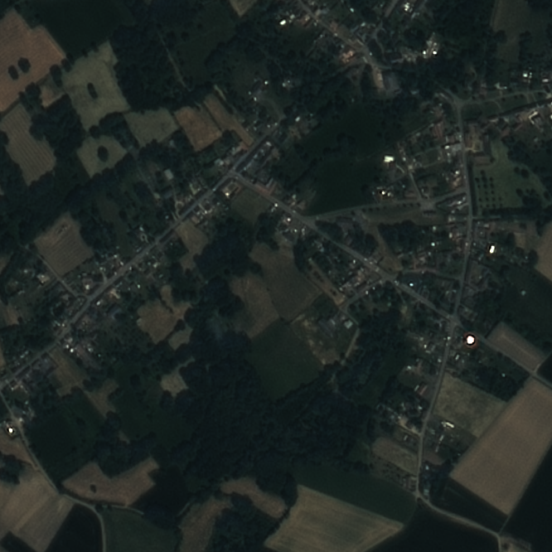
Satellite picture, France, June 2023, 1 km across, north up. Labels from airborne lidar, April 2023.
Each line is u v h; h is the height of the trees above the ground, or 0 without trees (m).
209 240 0
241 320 0
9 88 0
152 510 26
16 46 0
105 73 0
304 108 13
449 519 0
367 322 13
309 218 0
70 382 0
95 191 15
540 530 0
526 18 0
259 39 11
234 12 9
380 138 11
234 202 0
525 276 0
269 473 23
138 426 0
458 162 0
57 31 0
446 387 0
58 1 0
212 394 25
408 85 12
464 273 0
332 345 0
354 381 14
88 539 0
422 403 10
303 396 8
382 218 0
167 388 0
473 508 0
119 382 0
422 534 0
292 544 0
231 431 36
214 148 7
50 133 23
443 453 0
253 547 19
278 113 0
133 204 14
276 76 17
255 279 0
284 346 0
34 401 13
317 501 0
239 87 0
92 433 0
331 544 0
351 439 18
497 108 0
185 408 27
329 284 0
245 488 0
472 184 11
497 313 8
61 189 0
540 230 7
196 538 0
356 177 0
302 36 0
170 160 22
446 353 0
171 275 9
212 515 0
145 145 0
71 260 0
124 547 0
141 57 16
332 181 0
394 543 0
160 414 0
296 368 0
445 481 0
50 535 0
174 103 12
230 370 32
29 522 0
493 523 0
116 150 0
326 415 31
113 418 22
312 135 0
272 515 0
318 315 0
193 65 0
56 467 0
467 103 0
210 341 32
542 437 0
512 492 0
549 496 0
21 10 7
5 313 0
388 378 0
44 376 13
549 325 0
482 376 24
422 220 0
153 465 0
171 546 0
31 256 14
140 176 0
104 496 0
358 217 0
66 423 0
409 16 0
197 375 25
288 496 20
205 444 31
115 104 0
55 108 19
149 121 0
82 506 0
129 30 9
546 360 0
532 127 6
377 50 17
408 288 0
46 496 0
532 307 0
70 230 0
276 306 0
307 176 11
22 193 23
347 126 0
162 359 16
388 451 0
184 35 10
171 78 8
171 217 14
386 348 14
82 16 0
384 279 0
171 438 0
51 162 0
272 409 25
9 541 0
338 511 0
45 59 0
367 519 0
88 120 0
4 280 7
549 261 0
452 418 0
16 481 12
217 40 0
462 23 10
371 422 7
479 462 0
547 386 0
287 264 0
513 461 0
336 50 13
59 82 15
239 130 0
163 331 0
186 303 0
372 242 16
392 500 0
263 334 0
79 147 0
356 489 0
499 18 0
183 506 0
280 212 0
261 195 0
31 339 15
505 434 0
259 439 31
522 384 10
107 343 0
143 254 0
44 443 0
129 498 0
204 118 0
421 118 0
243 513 20
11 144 0
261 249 0
